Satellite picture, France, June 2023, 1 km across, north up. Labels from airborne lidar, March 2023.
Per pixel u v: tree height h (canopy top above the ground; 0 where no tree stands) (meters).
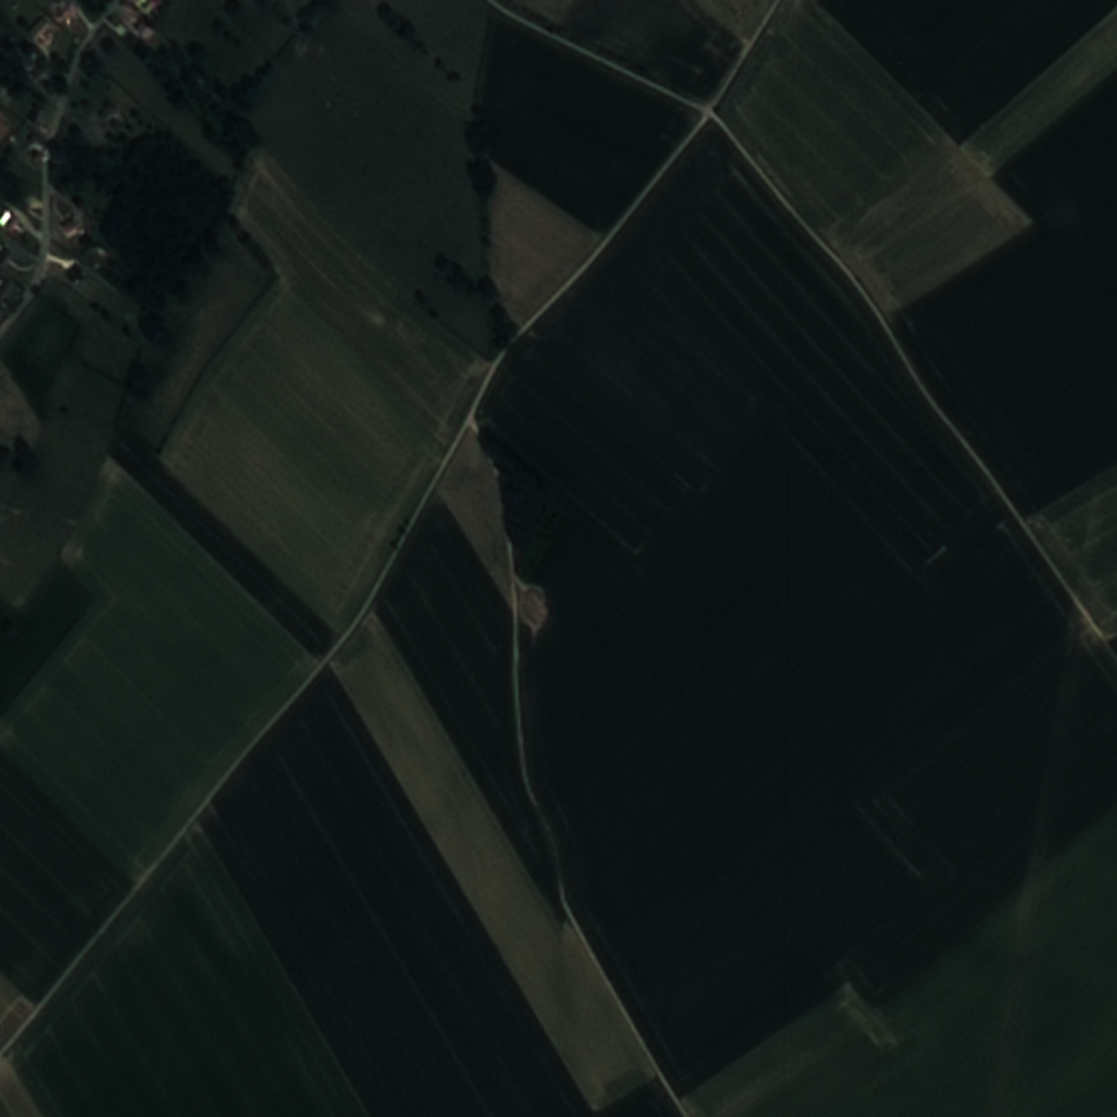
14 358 0
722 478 0
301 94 0
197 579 0
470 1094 0
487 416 0
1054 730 0
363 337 0
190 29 0
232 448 0
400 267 0
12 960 0
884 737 0
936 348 0
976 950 0
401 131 0
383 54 0
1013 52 0
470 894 0
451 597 0
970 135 0
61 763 0
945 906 0
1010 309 0
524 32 0
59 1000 0
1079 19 0
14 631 8
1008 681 0
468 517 0
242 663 0
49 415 0
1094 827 0
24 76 7
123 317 0
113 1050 0
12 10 0
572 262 0
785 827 0
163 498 0
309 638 0
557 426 0
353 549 0
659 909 0
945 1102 0
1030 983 0
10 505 0
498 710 0
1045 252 0
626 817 0
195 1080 0
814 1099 0
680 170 0
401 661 0
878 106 0
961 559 0
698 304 0
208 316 0
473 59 0
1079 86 0
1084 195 0
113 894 0
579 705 0
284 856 0
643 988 0
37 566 0
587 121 0
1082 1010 0
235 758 0
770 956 0
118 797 0
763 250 0
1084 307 0
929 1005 0
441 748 0
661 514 0
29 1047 0
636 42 0
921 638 0
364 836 0
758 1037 0
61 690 0
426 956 0
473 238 0
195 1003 0
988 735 0
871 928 0
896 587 0
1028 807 0
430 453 0
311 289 0
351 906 0
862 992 0
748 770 0
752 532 0
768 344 0
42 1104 0
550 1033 0
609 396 0
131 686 0
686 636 0
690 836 0
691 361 0
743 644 0
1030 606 0
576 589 0
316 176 0
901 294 0
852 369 0
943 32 0
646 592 0
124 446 0
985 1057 0
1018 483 0
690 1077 0
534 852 0
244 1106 0
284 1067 0
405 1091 0
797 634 0
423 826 0
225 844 0
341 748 0
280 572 0
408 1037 0
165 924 0
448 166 0
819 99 0
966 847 0
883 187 0
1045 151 0
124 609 0
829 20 0
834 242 0
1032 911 0
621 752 0
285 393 0
